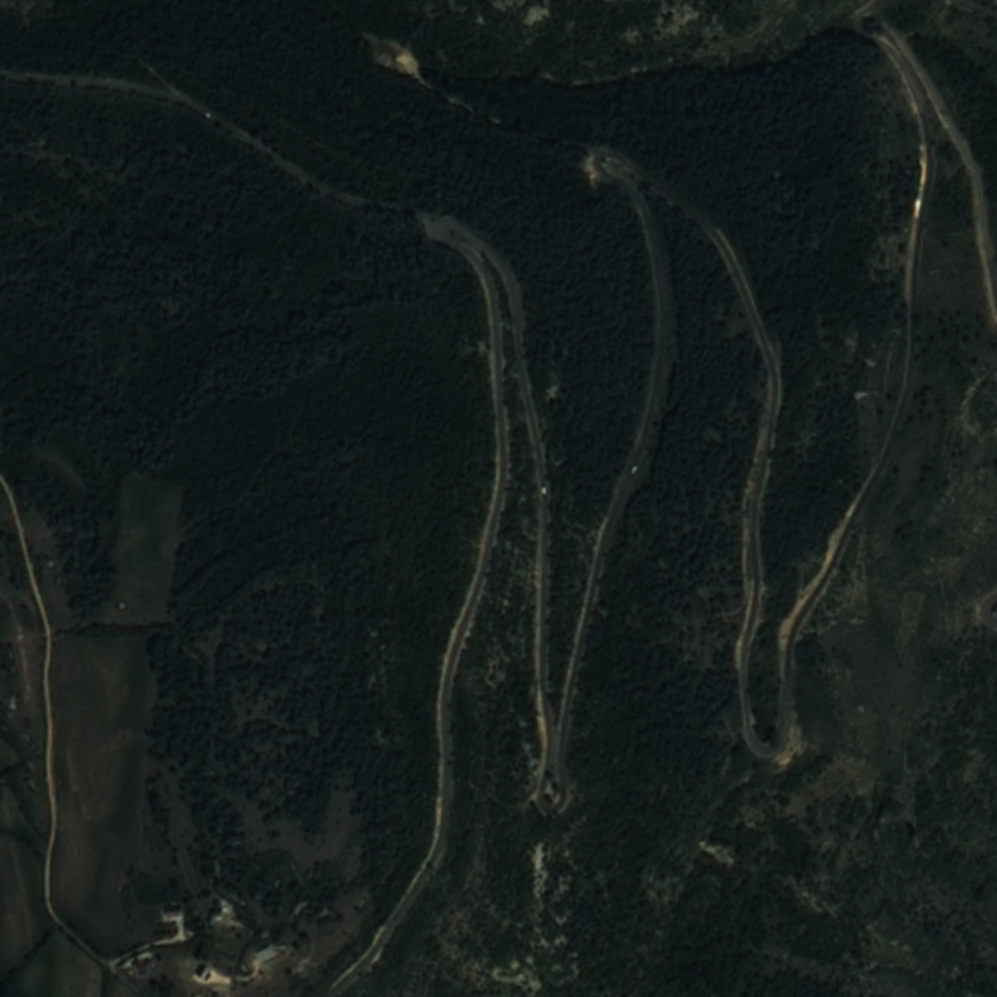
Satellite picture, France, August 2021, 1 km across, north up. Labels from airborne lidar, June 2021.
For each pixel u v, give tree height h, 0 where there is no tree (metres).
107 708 0
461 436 7
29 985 0
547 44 8
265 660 11
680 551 8
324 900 8
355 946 6
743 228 16
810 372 8
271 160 14
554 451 8
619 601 6
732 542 9
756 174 18
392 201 7
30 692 0
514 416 5
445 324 7
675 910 14
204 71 9
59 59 10
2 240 7
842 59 13
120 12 10
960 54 12
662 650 10
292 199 8
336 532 6
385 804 7
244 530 8
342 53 13
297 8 6
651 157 14
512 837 6
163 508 0
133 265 7
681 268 18
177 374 8
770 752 0
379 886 8
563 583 16
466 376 8
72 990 0
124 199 11
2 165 6
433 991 6
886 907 10
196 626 8
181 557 9
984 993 14
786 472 6
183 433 6
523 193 12
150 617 0
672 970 10
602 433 11
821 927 8
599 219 15
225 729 6
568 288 12
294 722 12
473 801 7
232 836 11
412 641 9
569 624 7
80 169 7
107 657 0
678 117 20
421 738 8
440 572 9
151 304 7
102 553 12
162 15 8
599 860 6
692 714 8
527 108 9
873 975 8
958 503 0
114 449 9
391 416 11
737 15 7
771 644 8
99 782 0
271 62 11
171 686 9
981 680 6
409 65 0
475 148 15
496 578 8
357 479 8
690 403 15
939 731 8
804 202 19
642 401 11
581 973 7
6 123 9
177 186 11
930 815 7
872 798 6
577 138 10
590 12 8
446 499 10
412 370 5
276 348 14
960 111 7
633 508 11
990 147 10
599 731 6
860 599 0
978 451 0
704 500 13
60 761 0
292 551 7
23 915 0
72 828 0
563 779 0
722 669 10
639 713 10
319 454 7
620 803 6
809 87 10
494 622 7
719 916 11
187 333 9
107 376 9
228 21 9
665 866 10
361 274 11
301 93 12
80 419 7
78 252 14
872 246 11
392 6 6
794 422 8
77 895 0
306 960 0
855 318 10
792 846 10
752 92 14
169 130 6
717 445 12
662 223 14
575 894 11
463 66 13
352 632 11
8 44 10
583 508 9
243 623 7
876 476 0
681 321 15
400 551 5
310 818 11
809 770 11
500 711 9
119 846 0
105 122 7
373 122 17
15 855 0
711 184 15
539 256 16
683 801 9
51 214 8
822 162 7
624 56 9
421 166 12
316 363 11
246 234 10
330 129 12
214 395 8
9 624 0
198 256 8
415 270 12
